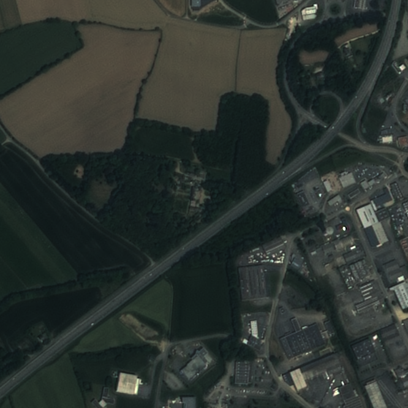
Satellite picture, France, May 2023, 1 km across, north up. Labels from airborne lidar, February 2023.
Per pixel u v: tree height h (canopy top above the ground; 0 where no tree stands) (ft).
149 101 0
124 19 0
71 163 36
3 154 0
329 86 72
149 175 102
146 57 0
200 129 0
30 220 0
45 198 0
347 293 0
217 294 0
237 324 71
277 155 0
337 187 0
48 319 0
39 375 0
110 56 0
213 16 0
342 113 0
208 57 0
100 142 0
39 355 0
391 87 0
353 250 0
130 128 43
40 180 0
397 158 0
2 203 0
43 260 0
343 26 100
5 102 0
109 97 0
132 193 101
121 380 0
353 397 0
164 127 48
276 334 0
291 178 0
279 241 0
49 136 0
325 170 0
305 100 42
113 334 0
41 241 0
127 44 0
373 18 82
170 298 0
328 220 0
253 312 0
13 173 0
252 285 0
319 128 36
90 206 67
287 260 0
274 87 0
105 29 0
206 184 42
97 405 0
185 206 0
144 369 0
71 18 0
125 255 0
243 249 88
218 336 0
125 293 0
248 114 57
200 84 0
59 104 0
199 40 0
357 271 0
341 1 0
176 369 0
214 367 0
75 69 0
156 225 99
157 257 74
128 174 93
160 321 0
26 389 0
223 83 0
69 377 0
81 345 0
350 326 0
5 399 24
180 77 0
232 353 87
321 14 0
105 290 0
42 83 0
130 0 0
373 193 0
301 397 0
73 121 0
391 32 0
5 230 0
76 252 0
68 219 0
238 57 0
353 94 62
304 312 0
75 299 0
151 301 0
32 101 0
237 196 75
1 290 0
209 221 66
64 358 0
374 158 0
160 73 0
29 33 0
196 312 0
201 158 29
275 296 0
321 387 0
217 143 53
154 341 0
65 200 0
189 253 45
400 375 0
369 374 0
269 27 0
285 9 0
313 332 0
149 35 0
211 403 0
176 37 0
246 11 0
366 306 0
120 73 0
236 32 0
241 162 72
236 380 0
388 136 0
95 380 0
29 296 52
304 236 32
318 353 0
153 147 0
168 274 0
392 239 0
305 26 0
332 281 0
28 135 0
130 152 61
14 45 0
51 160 40
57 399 0
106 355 33
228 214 0
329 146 0
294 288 0
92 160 75
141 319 0
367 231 0
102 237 0
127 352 17
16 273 0
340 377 0
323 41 70
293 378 0
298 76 47
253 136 76
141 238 87
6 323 0
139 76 0
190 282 0
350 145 0
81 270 0
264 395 0
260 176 73
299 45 52
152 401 0
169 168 88
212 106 0
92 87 0
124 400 0
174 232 92
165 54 0
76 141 0
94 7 0
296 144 43
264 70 0
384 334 0
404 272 0
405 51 0
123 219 96
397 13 0
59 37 0
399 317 0
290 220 98
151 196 106
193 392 0
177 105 0
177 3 0
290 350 0
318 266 0
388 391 0
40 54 0
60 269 0
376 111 0
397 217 0
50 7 0
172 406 0
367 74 0
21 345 0
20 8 0
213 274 0
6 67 0
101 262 0
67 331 0
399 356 0
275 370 0
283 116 0
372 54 19
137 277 0
